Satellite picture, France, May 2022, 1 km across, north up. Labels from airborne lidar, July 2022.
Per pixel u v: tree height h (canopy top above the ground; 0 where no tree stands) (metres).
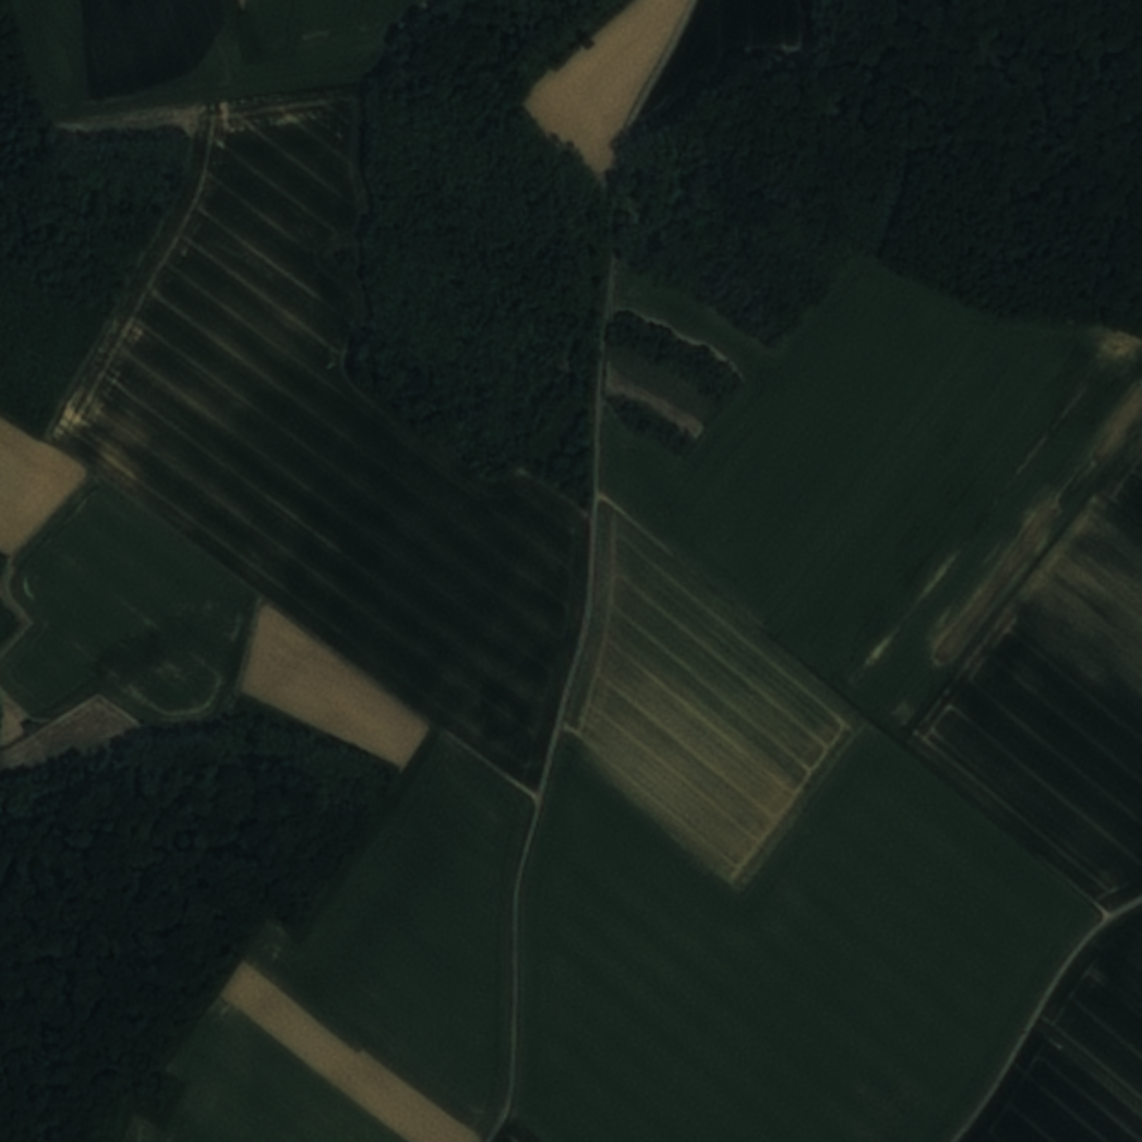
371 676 0
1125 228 29
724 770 0
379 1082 0
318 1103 0
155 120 0
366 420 0
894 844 0
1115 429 0
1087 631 0
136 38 0
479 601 0
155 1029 29
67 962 33
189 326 0
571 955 0
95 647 0
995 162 30
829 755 0
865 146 12
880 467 0
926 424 0
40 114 23
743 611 0
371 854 0
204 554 0
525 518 0
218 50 0
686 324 0
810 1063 0
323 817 28
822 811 0
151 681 0
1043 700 0
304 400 0
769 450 0
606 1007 0
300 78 0
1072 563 0
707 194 15
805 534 0
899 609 0
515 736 0
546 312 18
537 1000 0
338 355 0
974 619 0
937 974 0
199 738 22
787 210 19
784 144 10
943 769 0
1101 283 29
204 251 0
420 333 24
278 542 0
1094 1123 0
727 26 0
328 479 0
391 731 0
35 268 28
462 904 0
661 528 0
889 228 19
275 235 0
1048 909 0
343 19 0
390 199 19
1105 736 0
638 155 26
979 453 0
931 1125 0
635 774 0
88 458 0
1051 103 33
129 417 0
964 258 23
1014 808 0
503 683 0
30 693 0
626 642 0
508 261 24
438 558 0
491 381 21
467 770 0
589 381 13
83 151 24
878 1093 0
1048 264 24
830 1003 0
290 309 0
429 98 20
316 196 0
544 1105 0
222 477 0
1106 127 31
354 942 0
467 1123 0
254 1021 0
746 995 0
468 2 19
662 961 0
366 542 0
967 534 0
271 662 0
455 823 0
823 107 25
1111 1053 0
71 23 0
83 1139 27
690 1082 0
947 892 0
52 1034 31
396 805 0
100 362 0
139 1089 25
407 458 0
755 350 0
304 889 23
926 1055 0
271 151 0
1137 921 0
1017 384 0
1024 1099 0
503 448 20
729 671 0
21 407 10
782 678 0
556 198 27
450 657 0
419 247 25
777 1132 0
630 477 0
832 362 0
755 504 0
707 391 14
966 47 30
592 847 0
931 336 0
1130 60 28
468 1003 0
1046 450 0
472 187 26
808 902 0
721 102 19
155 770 22
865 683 0
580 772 0
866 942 0
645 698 0
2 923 31
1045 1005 0
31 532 0
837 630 0
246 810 32
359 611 0
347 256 7
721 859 0
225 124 0
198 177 0
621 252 23
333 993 0
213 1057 0
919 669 0
